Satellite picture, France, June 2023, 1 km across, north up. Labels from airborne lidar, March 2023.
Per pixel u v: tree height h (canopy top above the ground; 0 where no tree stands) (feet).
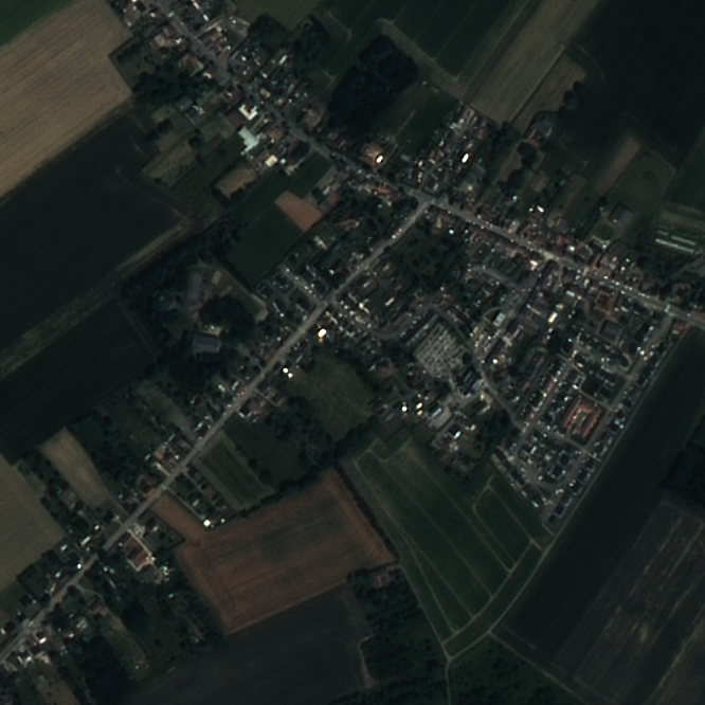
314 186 0
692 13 0
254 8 0
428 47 0
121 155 0
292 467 0
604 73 0
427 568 0
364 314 0
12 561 0
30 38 0
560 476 0
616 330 0
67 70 0
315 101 0
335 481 0
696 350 0
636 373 0
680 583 0
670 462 0
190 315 0
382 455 0
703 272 0
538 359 0
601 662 0
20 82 0
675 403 0
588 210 0
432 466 0
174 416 0
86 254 0
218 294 0
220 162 0
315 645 0
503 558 0
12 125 0
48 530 0
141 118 0
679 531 0
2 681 25
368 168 44
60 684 0
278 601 0
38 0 0
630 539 0
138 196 0
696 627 0
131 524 0
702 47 0
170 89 44
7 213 0
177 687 0
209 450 0
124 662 0
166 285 51
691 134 0
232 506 0
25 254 0
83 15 0
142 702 0
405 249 0
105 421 38
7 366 0
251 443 0
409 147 0
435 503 0
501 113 0
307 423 35
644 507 0
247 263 0
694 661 0
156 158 0
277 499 26
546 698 25
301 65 28
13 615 0
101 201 0
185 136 0
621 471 0
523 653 0
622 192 0
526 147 31
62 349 0
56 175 0
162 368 52
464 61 0
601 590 0
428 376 0
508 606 0
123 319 0
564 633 0
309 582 0
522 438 0
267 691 0
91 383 0
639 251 25
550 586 0
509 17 0
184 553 0
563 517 0
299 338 0
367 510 32
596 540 0
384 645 21
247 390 0
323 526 0
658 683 0
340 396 0
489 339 0
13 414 0
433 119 0
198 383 56
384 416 0
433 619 0
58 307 0
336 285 41
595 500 0
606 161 0
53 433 0
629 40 0
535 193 0
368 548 0
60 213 0
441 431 0
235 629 0
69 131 0
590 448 0
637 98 0
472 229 0
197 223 0
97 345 0
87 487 0
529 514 0
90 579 35
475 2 0
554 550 0
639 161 0
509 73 0
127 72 0
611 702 0
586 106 0
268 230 0
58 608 39
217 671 0
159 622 0
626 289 0
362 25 0
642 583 0
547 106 0
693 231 0
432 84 0
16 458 0
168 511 0
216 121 0
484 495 0
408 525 0
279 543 0
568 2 0
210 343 0
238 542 0
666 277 18
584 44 0
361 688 0
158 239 0
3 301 0
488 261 0
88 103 0
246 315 56
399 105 0
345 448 23
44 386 0
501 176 0
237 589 0
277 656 0
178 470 0
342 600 0
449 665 0
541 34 0
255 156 0
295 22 0
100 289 0
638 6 0
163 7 0
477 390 0
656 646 0
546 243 0
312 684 0
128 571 0
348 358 34
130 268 0
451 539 0
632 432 0
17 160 0
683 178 0
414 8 0
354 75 58
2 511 0
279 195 0
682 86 0
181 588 26
